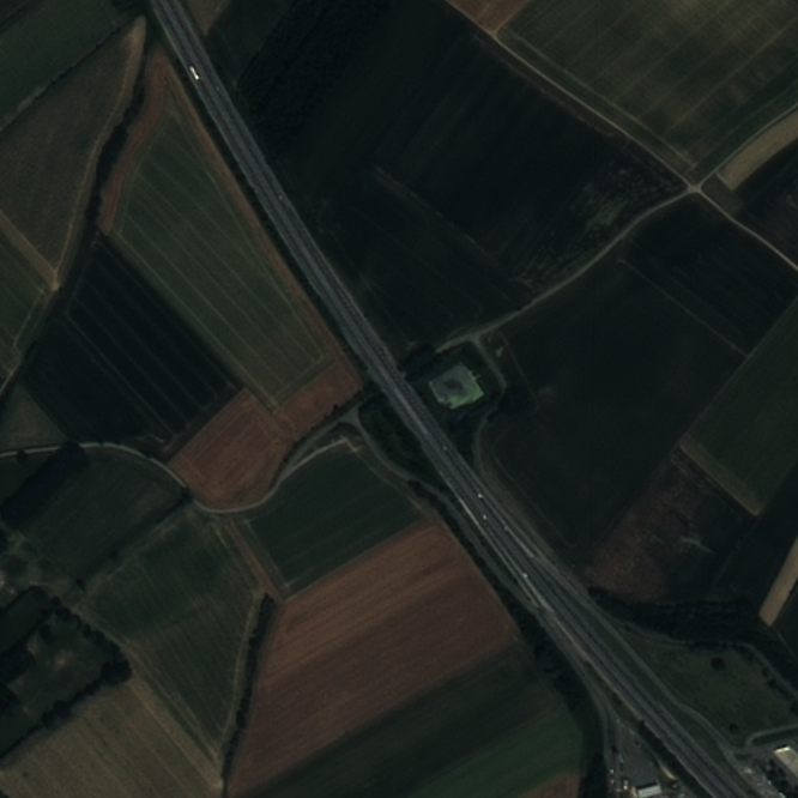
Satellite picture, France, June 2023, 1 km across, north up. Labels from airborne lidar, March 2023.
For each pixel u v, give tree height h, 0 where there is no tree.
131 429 0
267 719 0
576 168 0
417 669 0
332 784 0
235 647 0
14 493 0
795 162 0
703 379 0
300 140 0
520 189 0
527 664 0
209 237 0
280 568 0
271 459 0
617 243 0
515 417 0
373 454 0
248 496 0
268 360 0
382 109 0
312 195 0
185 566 0
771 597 0
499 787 0
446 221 0
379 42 0
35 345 6
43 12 0
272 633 0
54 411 0
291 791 0
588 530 0
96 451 0
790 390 0
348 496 0
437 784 0
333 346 0
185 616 0
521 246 0
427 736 0
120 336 0
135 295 0
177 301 0
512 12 0
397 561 0
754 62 0
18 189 0
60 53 0
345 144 0
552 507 0
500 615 0
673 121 0
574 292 0
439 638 0
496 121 0
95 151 0
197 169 0
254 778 0
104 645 18
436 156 0
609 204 0
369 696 0
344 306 0
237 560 0
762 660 0
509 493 0
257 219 0
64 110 0
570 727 0
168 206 0
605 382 0
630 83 0
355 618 0
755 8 0
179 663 0
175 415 0
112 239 0
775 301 0
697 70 0
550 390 0
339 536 0
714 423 0
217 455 0
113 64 0
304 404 0
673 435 0
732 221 0
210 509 0
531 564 0
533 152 0
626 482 0
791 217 0
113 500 0
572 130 0
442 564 0
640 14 0
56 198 0
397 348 0
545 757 0
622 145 0
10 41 0
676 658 0
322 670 0
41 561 0
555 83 0
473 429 7
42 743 0
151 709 0
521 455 0
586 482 0
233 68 0
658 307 0
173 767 0
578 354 0
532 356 0
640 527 0
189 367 0
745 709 0
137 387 0
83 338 0
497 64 0
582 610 0
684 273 0
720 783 0
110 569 0
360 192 0
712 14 0
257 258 0
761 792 0
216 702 0
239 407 0
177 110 0
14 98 0
